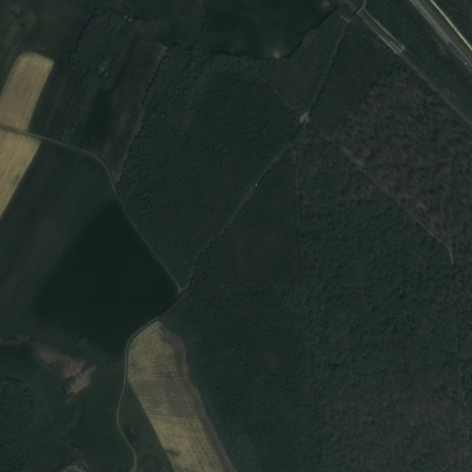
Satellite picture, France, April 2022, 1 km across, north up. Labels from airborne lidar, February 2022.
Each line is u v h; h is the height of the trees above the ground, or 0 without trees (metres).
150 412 0
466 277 23
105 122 0
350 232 27
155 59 0
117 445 0
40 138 0
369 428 23
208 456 0
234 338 17
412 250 25
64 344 0
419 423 26
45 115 0
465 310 25
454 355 15
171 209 13
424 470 27
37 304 0
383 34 0
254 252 9
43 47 0
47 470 0
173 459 0
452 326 24
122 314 0
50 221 0
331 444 19
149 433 0
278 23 0
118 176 0
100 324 0
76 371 0
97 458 0
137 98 0
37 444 0
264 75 15
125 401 0
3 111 0
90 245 0
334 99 14
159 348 0
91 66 15
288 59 12
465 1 27
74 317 0
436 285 26
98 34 22
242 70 26
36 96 0
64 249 0
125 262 0
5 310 0
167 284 0
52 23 0
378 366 27
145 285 0
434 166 0
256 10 0
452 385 23
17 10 0
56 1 0
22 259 0
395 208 23
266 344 16
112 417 0
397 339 26
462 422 26
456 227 26
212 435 0
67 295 0
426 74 0
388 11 0
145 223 14
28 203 0
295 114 11
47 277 0
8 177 0
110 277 0
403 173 29
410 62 0
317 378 19
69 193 0
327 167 26
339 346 23
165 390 0
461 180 29
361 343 21
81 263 0
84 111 10
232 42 0
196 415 0
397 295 18
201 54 14
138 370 0
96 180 0
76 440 0
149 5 0
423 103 25
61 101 0
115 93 0
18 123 0
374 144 26
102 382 0
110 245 0
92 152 0
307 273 20
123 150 0
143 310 0
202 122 15
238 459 0
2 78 0
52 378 0
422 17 0
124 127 0
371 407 24
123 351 0
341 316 25
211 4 0
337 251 23
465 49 0
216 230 10
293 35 0
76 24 0
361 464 20
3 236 0
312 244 23
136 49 0
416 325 24
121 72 0
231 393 21
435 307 28
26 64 0
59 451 0
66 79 0
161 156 17
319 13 0
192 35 0
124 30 7
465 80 9
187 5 0
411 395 28
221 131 13
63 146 0
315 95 9
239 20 0
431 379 26
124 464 0
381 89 27
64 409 0
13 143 0
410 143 27
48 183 0
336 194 25
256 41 0
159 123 15
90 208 0
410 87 24
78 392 0
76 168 0
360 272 26
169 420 0
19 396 20
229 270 10
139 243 0
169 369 0
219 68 24
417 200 27
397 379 22
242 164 13
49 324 0
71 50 0
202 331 19
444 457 23
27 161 0
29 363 0
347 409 22
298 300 22
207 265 14
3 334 0
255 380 19
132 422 0
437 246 21
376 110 20
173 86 17
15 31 0
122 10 0
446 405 29
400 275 27
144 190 15
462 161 27
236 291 11
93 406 0
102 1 0
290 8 0
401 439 26
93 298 0
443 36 0
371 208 27
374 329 19
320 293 23
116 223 0
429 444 25
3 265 0
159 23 0
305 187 17
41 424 0
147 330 0
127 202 14
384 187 23
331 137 19
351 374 24
